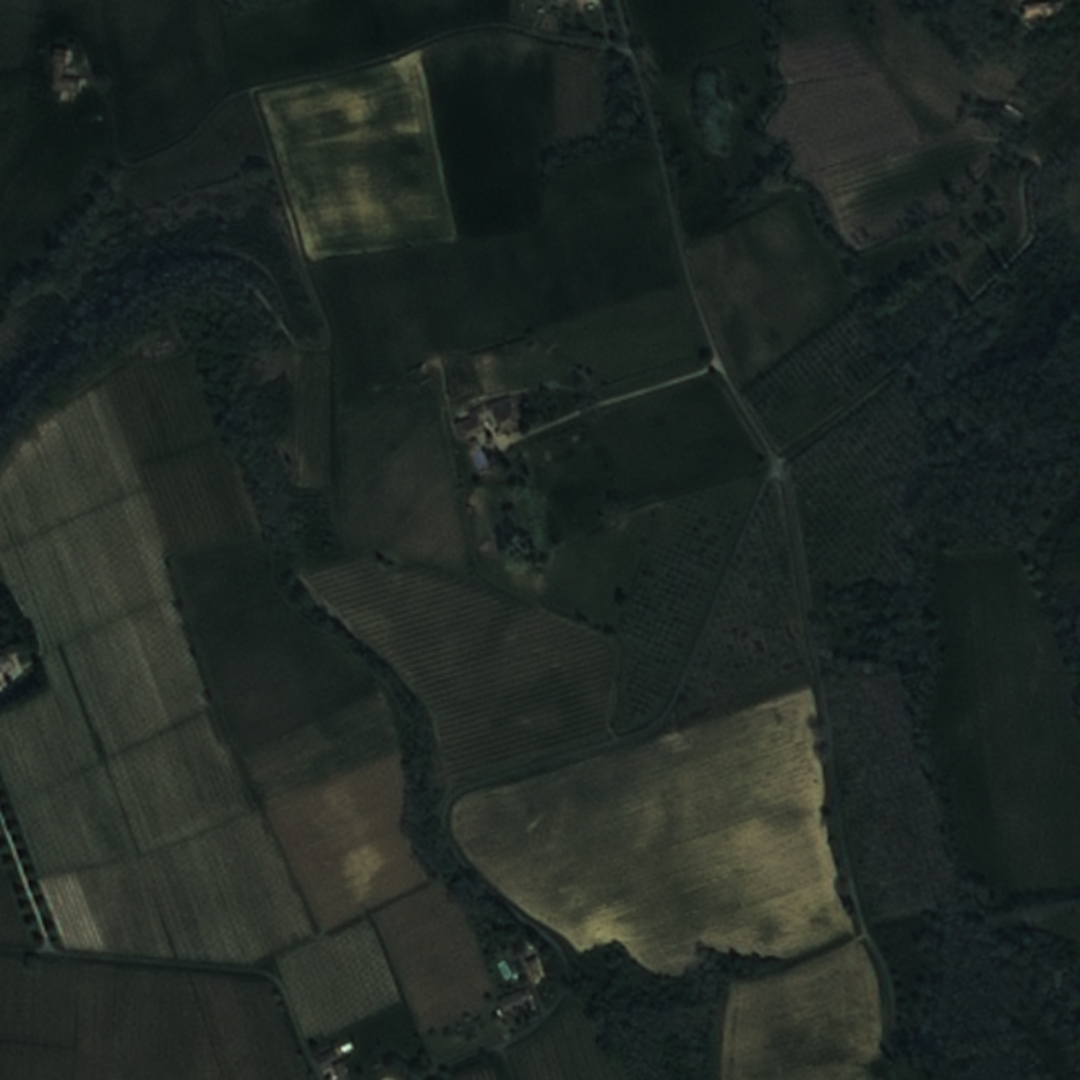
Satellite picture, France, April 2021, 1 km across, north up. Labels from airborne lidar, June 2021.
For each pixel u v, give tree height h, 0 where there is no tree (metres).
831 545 7
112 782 0
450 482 0
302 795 0
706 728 0
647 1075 16
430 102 0
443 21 0
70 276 15
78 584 0
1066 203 9
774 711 0
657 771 0
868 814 11
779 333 0
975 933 17
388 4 0
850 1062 0
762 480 0
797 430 0
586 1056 0
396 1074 17
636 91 13
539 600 0
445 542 0
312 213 0
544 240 0
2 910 0
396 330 0
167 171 0
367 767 0
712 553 8
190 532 0
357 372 0
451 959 0
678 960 0
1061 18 12
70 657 0
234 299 11
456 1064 0
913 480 13
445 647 0
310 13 0
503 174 0
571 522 0
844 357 10
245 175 12
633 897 0
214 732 0
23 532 0
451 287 0
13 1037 0
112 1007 0
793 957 0
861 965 0
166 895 0
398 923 0
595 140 12
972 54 17
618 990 10
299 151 0
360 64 0
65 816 0
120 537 0
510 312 0
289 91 0
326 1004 0
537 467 0
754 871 0
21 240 0
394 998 0
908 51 0
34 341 8
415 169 0
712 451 0
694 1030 13
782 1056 0
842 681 12
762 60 0
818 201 17
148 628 0
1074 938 0
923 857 17
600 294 0
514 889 0
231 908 0
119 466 0
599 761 0
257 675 0
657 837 0
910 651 20
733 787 0
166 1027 0
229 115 0
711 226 0
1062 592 7
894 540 9
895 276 0
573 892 0
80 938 0
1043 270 17
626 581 0
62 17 0
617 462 0
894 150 0
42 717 0
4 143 0
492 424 6
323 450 0
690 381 0
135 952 0
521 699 0
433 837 19
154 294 24
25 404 23
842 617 8
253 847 0
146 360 0
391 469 0
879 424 9
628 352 0
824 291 0
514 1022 6
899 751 19
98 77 14
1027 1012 13
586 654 0
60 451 0
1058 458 29
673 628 7
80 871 0
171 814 0
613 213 0
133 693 0
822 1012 0
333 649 0
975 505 32
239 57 0
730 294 0
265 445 13
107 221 18
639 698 6
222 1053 0
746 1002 0
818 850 0
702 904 0
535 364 0
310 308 11
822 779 0
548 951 12
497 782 0
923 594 18
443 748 0
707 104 10
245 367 18
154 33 0
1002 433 33
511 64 0
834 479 9
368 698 0
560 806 0
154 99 0
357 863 0
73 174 0
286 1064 0
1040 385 8
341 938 0
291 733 0
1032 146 19
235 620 0
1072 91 0
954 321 24
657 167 0
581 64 0
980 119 14
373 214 0
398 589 0
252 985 0
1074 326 32
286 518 19
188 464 0
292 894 0
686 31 0
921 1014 12
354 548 0
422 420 0
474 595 0
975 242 24
